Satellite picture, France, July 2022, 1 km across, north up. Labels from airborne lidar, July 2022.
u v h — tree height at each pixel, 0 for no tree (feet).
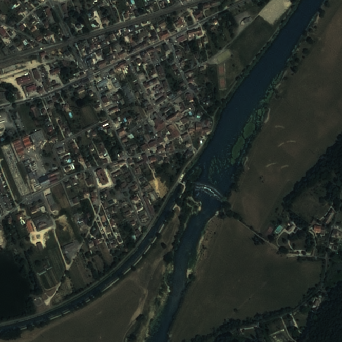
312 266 0
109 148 18
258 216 0
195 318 0
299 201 0
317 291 43
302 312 70
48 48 0
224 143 0
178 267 0
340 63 0
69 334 0
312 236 60
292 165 0
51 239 0
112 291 0
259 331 82
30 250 39
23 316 38
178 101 0
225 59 0
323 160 64
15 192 0
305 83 0
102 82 0
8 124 0
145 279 0
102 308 0
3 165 0
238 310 30
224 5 40
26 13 0
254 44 0
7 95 88
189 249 0
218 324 0
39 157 0
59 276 0
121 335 0
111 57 0
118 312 0
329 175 87
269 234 0
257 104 0
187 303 0
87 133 21
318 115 0
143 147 0
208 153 0
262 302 0
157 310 0
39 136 0
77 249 0
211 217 0
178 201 61
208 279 0
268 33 0
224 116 0
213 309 0
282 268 0
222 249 0
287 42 0
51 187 0
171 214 61
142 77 0
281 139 0
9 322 0
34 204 31
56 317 0
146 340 0
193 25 0
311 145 0
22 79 0
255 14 0
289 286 0
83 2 53
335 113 0
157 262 0
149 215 0
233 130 0
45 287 0
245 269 0
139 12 58
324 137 0
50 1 0
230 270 0
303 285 0
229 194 47
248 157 0
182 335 0
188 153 0
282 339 0
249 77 0
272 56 0
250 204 0
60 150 0
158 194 0
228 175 0
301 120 0
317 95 0
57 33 22
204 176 0
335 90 0
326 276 29
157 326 0
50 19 0
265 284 0
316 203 0
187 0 0
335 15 0
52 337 0
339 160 88
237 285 0
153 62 0
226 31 0
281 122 0
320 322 70
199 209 0
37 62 0
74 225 0
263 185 0
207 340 43
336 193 87
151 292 0
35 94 0
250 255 0
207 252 0
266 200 0
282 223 88
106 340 0
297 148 0
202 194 0
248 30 0
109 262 0
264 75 0
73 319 0
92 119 0
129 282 0
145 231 36
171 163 23
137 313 0
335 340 80
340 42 0
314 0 0
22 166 0
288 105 0
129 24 0
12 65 0
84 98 24
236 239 0
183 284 0
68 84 0
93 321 0
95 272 52
